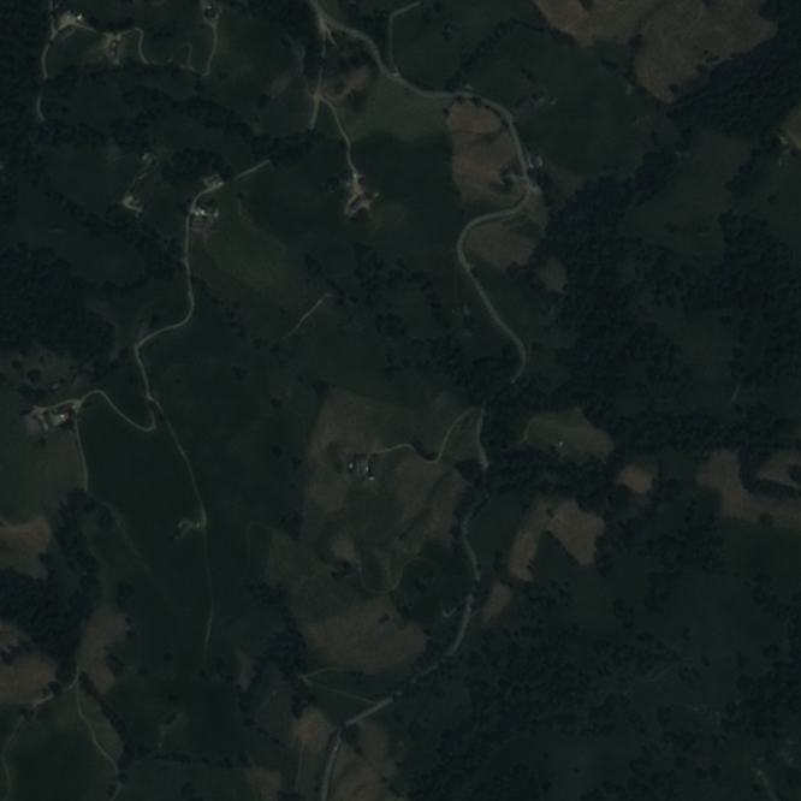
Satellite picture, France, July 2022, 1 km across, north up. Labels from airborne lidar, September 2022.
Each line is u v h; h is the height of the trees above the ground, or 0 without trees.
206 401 0
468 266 0
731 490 0
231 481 0
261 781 0
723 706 0
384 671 0
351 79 0
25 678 0
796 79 28
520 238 0
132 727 0
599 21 0
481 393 17
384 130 0
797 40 8
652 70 0
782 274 11
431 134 0
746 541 0
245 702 18
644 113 0
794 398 0
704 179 0
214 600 0
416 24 0
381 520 0
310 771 0
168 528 0
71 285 26
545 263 17
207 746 0
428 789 11
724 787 0
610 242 20
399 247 0
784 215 0
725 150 0
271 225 0
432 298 11
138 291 9
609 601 0
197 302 0
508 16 0
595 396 21
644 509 0
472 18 0
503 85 0
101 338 17
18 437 0
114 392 0
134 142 30
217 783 0
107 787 0
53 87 21
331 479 0
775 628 0
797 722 0
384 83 0
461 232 0
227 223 0
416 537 0
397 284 13
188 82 0
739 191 21
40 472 0
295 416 0
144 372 0
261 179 0
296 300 0
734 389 0
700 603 0
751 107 31
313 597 0
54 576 6
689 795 0
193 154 19
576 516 0
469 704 0
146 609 0
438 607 0
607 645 15
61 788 0
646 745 0
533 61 0
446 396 0
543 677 22
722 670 0
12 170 18
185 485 0
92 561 21
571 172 0
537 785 10
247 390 0
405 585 0
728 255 0
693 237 0
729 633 0
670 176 9
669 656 12
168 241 7
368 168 0
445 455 0
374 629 0
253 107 0
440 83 0
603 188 8
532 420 0
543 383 12
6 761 0
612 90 0
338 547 0
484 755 16
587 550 0
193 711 0
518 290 0
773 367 15
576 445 0
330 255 0
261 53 0
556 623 0
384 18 14
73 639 20
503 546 0
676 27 0
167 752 0
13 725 0
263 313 0
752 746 0
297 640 18
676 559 10
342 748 0
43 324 18
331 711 0
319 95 0
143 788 0
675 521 0
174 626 0
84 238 0
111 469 0
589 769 0
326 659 0
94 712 0
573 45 15
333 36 10
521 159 0
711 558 19
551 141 0
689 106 9
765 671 0
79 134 23
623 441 8
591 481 29
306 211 0
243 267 0
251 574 0
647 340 9
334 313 0
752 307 8
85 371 10
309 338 0
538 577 0
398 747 0
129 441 0
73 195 0
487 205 0
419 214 0
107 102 0
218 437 0
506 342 0
